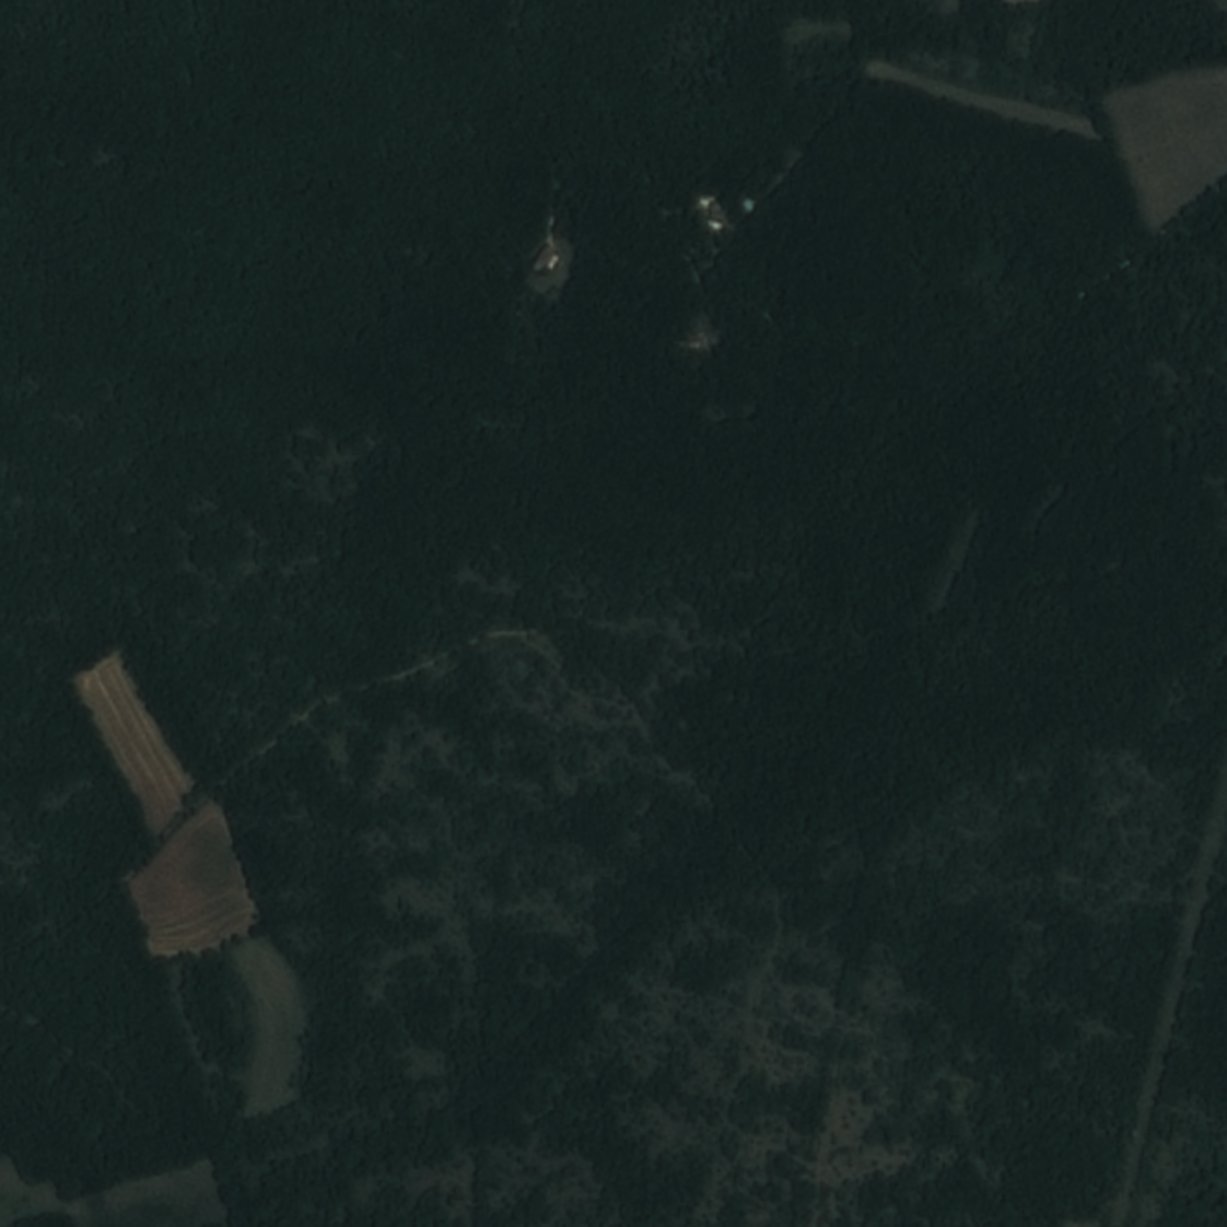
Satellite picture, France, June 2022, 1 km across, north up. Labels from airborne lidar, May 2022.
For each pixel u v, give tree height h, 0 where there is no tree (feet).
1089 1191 29
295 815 26
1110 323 31
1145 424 45
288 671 25
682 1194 29
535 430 26
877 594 32
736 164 36
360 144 39
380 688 23
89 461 36
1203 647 26
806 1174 25
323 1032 30
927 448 31
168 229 37
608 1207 27
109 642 25
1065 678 26
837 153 50
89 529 25
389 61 33
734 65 44
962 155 37
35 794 23
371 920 25
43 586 20
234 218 35
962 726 24
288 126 37
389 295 34
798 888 29
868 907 31
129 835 24
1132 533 45
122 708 0
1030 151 41
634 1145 30
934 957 35
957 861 31
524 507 38
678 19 34
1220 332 35
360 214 40
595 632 23
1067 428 32
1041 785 30
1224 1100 45
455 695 27
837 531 27
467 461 39
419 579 36
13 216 30
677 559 36
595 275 41
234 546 29
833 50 33
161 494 36
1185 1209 21
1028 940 30
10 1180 0
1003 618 29
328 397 32
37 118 45
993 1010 41
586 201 38
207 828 0
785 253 41
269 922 27
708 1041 24
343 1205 31
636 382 45
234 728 28
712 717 33
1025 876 23
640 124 41
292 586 24
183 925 0
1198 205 32
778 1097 23
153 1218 0
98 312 41
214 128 37
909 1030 27
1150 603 44
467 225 34
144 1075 45
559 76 35
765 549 31
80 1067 42
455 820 26
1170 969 27
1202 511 35
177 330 39
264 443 25
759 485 46
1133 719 43
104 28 33
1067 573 35
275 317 44
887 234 67
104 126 33
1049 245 45
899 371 48
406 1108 33
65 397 30
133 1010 39
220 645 26
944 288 40
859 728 27
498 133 31
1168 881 26
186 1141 48
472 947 21
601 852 21
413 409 44
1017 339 35
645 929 46
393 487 42
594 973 32
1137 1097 20
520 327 22
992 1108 28
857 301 45
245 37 33
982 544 37
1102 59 43
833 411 41
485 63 34
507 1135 31
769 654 25
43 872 24
